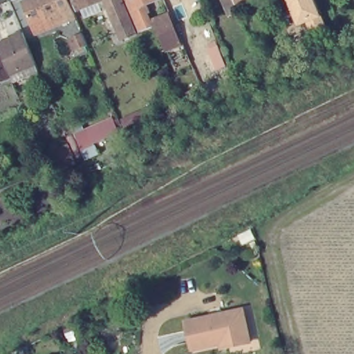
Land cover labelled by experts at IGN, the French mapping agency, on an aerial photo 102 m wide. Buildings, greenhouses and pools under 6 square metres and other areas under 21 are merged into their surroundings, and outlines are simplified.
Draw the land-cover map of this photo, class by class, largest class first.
<instances>
[{"label":"herbaceous vegetation","instance_id":"1","mask_svg":"<svg viewBox=\"0 0 354 354\"><path fill-rule=\"evenodd\" d=\"M216 19V25L223 28L218 32L221 41L227 47L228 54L234 55L239 62L248 61L252 54L245 46L241 28L232 18V7L236 6L238 0H207ZM75 19L80 30L86 46L84 54L79 55V61L87 73V83L91 84L90 91L98 100L95 120L112 116L115 109L111 100L106 97L100 77H95V72L101 68L106 76V86L113 88L120 86V83L129 82L124 91L129 95L136 94L131 104L119 105L122 115L138 112L151 104L152 95L158 87L159 76L166 77L180 98L187 95L188 87L198 88L199 84L194 69L189 65L174 72L166 53L153 47L152 35L148 30L138 37L142 51L159 65V68L151 73V79L142 80L129 71L133 58L126 44L118 46L113 43L111 33L102 26L105 24V18L98 19L93 15L82 18L80 12H75ZM58 36L57 32L46 35L37 37L32 33L25 37L37 73L50 87L51 100L47 108L40 111L33 141L41 145V155L50 162L53 169L68 171L69 174L72 171L82 174V191L77 199L79 206L72 216H58L51 210L47 192L36 188L33 191L30 213L40 216L37 223L28 230L19 231L17 228V231L8 232L0 239V274L11 271V268L14 270L21 267L28 261L39 259L51 250L62 248L66 243L84 238L111 221L123 217L127 210L133 207L147 209L159 196L176 194L181 189L192 187L206 178L257 158L286 142L296 140L324 124L343 118L346 113H354V65L340 72L329 73L325 80L300 93L283 94L282 97L260 106L256 111L236 113L234 118H210V126L217 127L214 136L205 137L201 142L194 138L191 147L183 148L180 153H169L167 156L160 153L159 159L152 166L142 167L145 176L137 177L124 167H116L112 174L104 177L102 188H95L97 184L94 183L93 176L97 167L94 158H86L84 153L82 156H76L66 141L65 144H59L51 136L48 130V115H53L57 111L59 101L73 112L79 102L68 100L62 87L43 69V66L50 68L51 62L61 55L55 44ZM202 79L205 80L214 77L220 82L221 76L228 79L225 68L214 73L206 62H201L198 66ZM15 83H6V87L0 86V115L11 109L7 105L8 98H17ZM348 187L354 188V147L332 153L318 159L307 169L292 171L288 176L261 185L259 189H254L238 201L212 210L191 227L173 232L158 242L149 243L147 248L124 256L116 263L98 268L91 274L83 275L68 285L47 292L46 295L28 303H21L15 310L0 315V354H62L58 351L59 344L54 342V339H48V333L58 329V326H65V321H69L75 314H79L80 321L90 322L93 313L90 308L97 306L102 297H116L120 289L129 286L127 278L130 274L140 275L137 282L140 283V300L151 317H155L159 311L170 306L181 296V278L189 281L196 278V290L220 293L223 296V307L231 300L236 304L249 303L252 306L256 319V340H259L260 347L259 350L249 351V354H303L290 299L288 278L283 267L282 228L290 227L296 220L324 206L326 202L339 198ZM243 231H252L256 245L259 248V259L256 257L252 263H248L243 259H235V249L231 245L236 242V235ZM19 217L7 212L0 199V230L11 227ZM184 321L178 315L167 319L165 324L160 326L159 335L181 330ZM144 324L137 319L130 329H112L106 326L102 332H98V339L106 348L105 354H141Z\"/></svg>","mask_w":354,"mask_h":354},{"label":"deciduous trees","instance_id":"2","mask_svg":"<svg viewBox=\"0 0 354 354\"><path fill-rule=\"evenodd\" d=\"M201 7L194 11L189 19L188 24L198 26L207 24L212 28L225 68L228 79L221 76L220 82L214 77L205 80L203 86L199 84L198 88L188 87L187 95L180 98L166 77L159 76L158 87L152 95L151 104L138 112L140 115L136 116L126 130L111 131L102 147L100 144L95 145L97 153L94 158L97 167L93 176L94 183L97 184L95 188H102L104 177L112 174L116 167H124L137 177L145 176L142 167L152 166L159 159L160 153L167 156L169 153H180L183 148L191 147L194 138L201 142L205 137L214 136L217 127L210 126V118H234L236 113L256 111L260 106L282 97L283 94L300 93L325 80L329 73L340 72L354 65V0H313L318 14L321 15L322 24L307 29L304 24H293L286 7L288 0H238L236 6L232 7V18L241 28L245 46L252 54L248 61L239 62L234 55L228 54L227 47L221 41L218 32L223 28L216 25V19L207 0H198ZM133 58L129 71L142 80L151 79V73L159 68V65L142 51L138 37L126 44ZM86 46L75 48L68 55H61L51 62L50 68L43 66V69L62 87L68 100L79 102L73 112L59 101L57 111L53 115H48V130L51 136L59 144H65L66 141L71 131L75 133L77 127H87L95 120L98 100L90 91L91 84L87 83V73L79 61V55L84 54ZM17 98H8L7 105L11 109L0 115V199L7 212L19 217L11 227L0 230V239L8 232L17 231V228L19 231L28 230L37 223L40 216L30 213L33 191L36 188L47 192L51 210L58 216H72L79 206L77 199L82 191V174L72 171L69 174L68 171L53 169L50 162L41 155V145L33 141L40 111L47 108L51 100L50 87L37 73L30 76L24 84L15 83ZM129 82L120 83V86L113 88L119 105L131 104L136 94L129 95L124 91ZM235 249V259H243L248 263H252L256 257L259 259V248L256 245L249 248L248 245L236 242L231 245ZM140 275L130 274L127 278L129 286L120 289L116 297H102L97 306L90 308L93 313L90 322L80 321L79 314H75L69 321H65V326H58V329L48 333V339H54V342L59 344L58 351L62 354H105L106 348L98 339V332H102L106 326L112 329H130L137 319L144 324L151 317L140 300V283L137 282ZM66 332L75 333V342H68Z\"/></svg>","mask_w":354,"mask_h":354},{"label":"pervious surface","instance_id":"3","mask_svg":"<svg viewBox=\"0 0 354 354\"><path fill-rule=\"evenodd\" d=\"M180 44L187 40L189 44L195 40V29L198 26L188 24L184 25L183 19H177L173 24ZM354 147V113H346L343 118L324 124L296 140L286 142L257 158L206 178L192 187L181 189L176 194L159 196L147 209L133 207L127 210L123 217L111 221L84 238L66 243L62 248L51 250L39 259L28 261L21 267L14 270L11 268V271L0 274V315L15 310L21 303H28L46 295L47 292L68 285L83 275L91 274L98 268L116 263L124 256L147 248L149 243L158 242L173 232L191 227L212 210L238 201L254 189H259L261 185L288 176L292 171L307 169L318 159L332 153Z\"/></svg>","mask_w":354,"mask_h":354},{"label":"building","instance_id":"4","mask_svg":"<svg viewBox=\"0 0 354 354\"><path fill-rule=\"evenodd\" d=\"M24 21L32 33L37 37L46 35L48 30L61 28L62 22L69 24L75 19V12H80L82 18L93 15L98 19L105 18V24L102 26L111 33L113 43L118 46L126 44L138 37L148 30L152 35L153 47L166 53H173L174 47L183 46L189 65L194 69L199 84L203 86L205 80L202 79L198 66L189 44L187 40L180 44L173 24L165 0H24L21 3ZM286 7L293 24H304L307 29L322 24L321 15L318 14L313 0H288ZM37 73L25 37L18 29L12 35L0 39V86L6 87V83H15L24 84L30 76ZM55 44L61 55H68L75 48L86 46L80 30L73 35L66 32L65 35L62 33L58 36ZM140 115L138 112L122 115V119H112V116L95 120L87 127H77L75 133L71 131L66 141L76 156H82L84 153L86 158H94L97 153L95 145L100 144L102 147L111 131L126 130L136 116ZM236 242L248 245L249 248L256 245L252 231H243L236 235ZM188 335L185 342L192 354H245L241 351L232 353L227 348L232 342L238 346L252 342L243 308L184 321L181 330ZM68 342H75V333L66 332Z\"/></svg>","mask_w":354,"mask_h":354},{"label":"vineyard","instance_id":"5","mask_svg":"<svg viewBox=\"0 0 354 354\"><path fill-rule=\"evenodd\" d=\"M283 267L288 278L290 299L303 354H354V188L348 187L339 198L326 202L324 206L296 220L290 227L282 228Z\"/></svg>","mask_w":354,"mask_h":354},{"label":"impervious surface","instance_id":"6","mask_svg":"<svg viewBox=\"0 0 354 354\"><path fill-rule=\"evenodd\" d=\"M24 0H0V39L12 35L18 29L25 37L32 33L24 21L21 3ZM173 24L177 19L172 8L180 7V3H183L185 18L189 19L194 11L201 7L198 0H165ZM80 30L75 19L69 24L62 22L61 28L48 30L46 35L57 32L58 36L62 33L65 35L66 32L73 35ZM198 66L201 62H206L214 73L225 68L212 28L207 24L198 26L195 29V40L189 44ZM174 72L189 65L183 46L174 47L173 53H166ZM196 278L189 281L181 278V296L170 306L159 311L155 317H151L144 324L141 354H192L185 342L188 335L181 330L159 335L160 326L165 324L167 319L178 315L184 321L243 308L252 342L238 346L232 342L227 348L232 353L241 351L245 354H249V351L259 350L260 347L259 340H256V319L252 306L249 303L236 304L231 300L223 307V296L220 293L196 290Z\"/></svg>","mask_w":354,"mask_h":354},{"label":"brushwood","instance_id":"7","mask_svg":"<svg viewBox=\"0 0 354 354\"><path fill-rule=\"evenodd\" d=\"M95 77H100L106 97L111 100L115 109L112 116V119H122V115L119 105L113 88L106 86V76L101 68L95 72Z\"/></svg>","mask_w":354,"mask_h":354},{"label":"swimming pool","instance_id":"8","mask_svg":"<svg viewBox=\"0 0 354 354\"><path fill-rule=\"evenodd\" d=\"M177 19H183L184 25L188 24L189 19L185 18L183 3H180V7L172 8Z\"/></svg>","mask_w":354,"mask_h":354}]
</instances>
